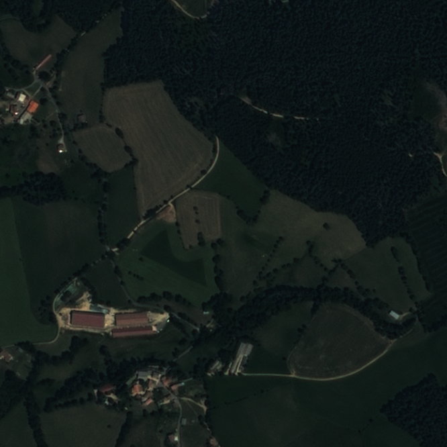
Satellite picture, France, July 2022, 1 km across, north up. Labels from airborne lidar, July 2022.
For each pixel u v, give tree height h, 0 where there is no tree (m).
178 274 0
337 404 0
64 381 0
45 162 0
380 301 13
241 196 0
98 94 0
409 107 8
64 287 11
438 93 0
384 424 0
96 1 11
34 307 0
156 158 0
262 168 25
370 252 0
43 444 20
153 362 22
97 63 0
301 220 0
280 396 0
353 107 21
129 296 0
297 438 0
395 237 16
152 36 24
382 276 0
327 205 32
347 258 0
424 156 27
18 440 0
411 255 0
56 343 0
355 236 0
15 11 31
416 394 30
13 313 0
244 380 0
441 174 27
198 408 0
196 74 24
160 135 0
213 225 0
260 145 18
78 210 0
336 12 25
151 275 0
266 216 0
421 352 0
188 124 0
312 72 32
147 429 0
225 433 0
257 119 12
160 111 0
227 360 12
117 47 18
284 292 24
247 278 0
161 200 0
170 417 12
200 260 0
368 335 0
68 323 0
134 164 14
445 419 23
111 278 0
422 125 34
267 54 21
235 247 0
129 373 19
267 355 0
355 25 28
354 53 27
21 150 0
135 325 0
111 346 0
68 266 0
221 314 23
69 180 0
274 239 0
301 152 14
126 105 0
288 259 0
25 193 17
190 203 0
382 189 31
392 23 18
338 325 0
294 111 22
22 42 0
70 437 0
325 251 0
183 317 24
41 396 0
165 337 0
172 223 0
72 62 0
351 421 0
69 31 0
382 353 0
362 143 24
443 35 29
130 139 0
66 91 0
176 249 0
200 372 20
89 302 0
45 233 0
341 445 0
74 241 0
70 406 15
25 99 0
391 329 15
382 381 0
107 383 13
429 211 0
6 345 0
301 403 0
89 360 0
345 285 0
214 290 0
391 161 18
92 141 0
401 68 9
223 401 0
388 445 0
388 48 25
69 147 0
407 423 27
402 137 31
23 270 0
